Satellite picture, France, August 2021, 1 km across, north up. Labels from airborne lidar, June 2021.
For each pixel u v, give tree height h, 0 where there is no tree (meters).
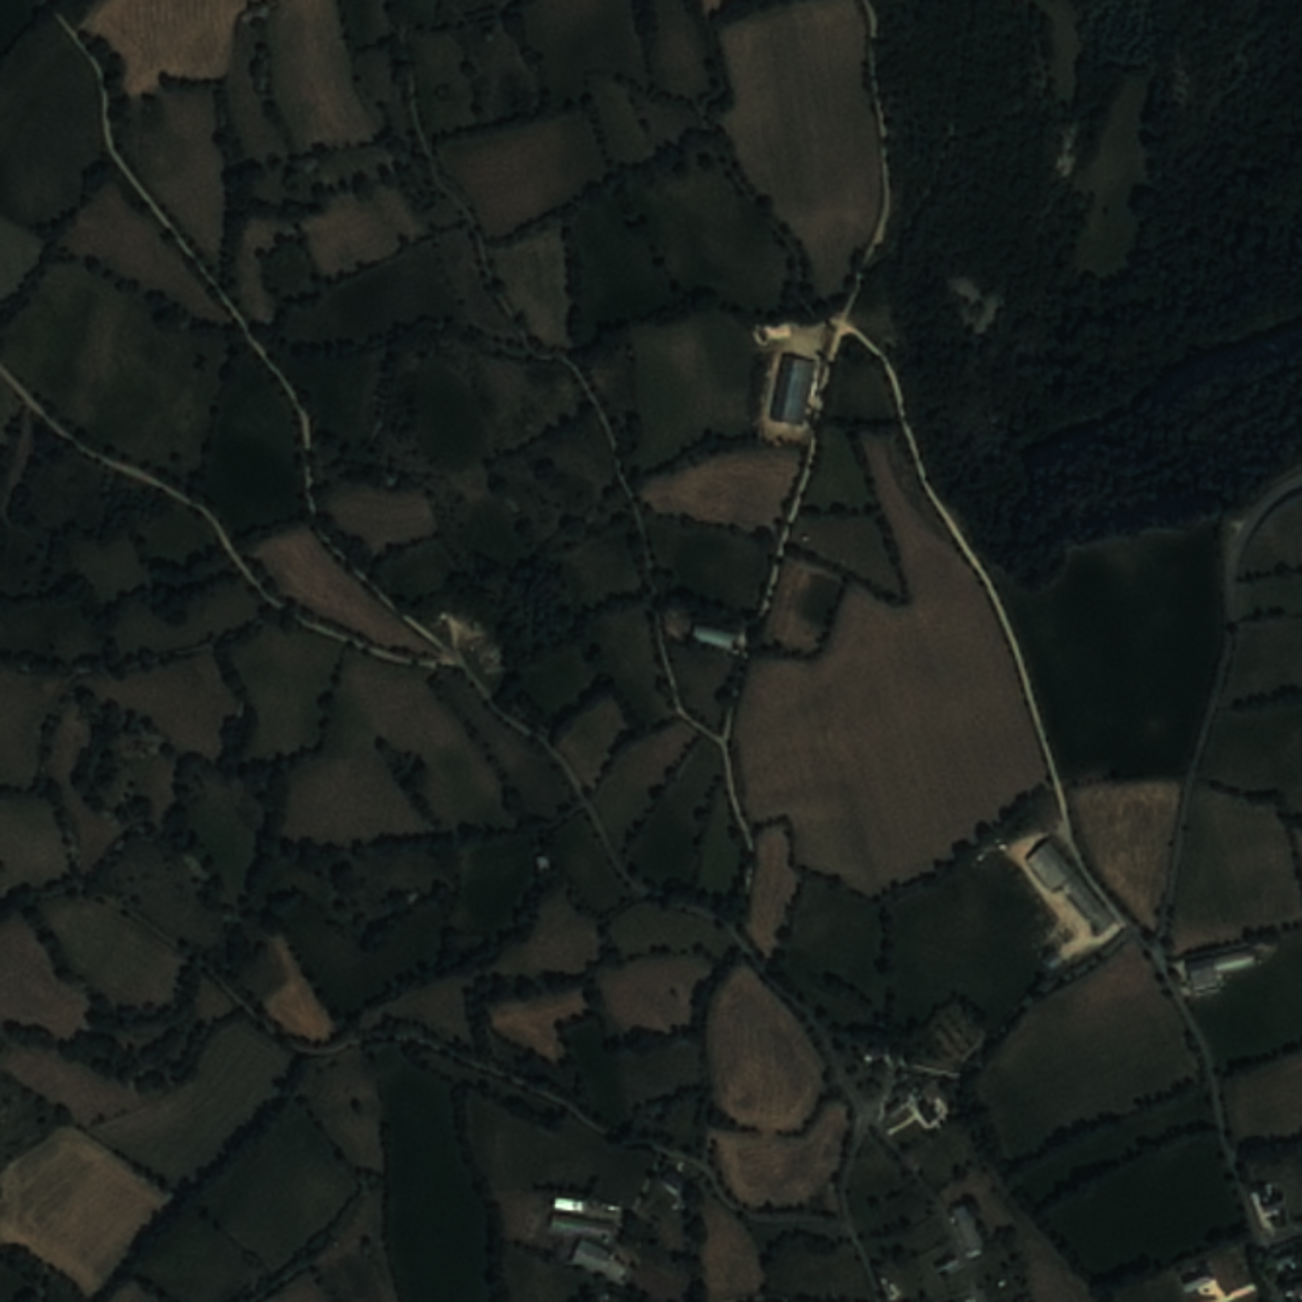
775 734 0
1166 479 25
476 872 0
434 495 7
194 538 0
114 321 0
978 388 18
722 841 0
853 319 0
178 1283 0
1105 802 0
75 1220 0
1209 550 0
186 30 0
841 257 0
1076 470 22
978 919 0
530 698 11
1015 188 15
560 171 0
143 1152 0
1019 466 19
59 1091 0
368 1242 8
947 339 18
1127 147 0
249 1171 0
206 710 0
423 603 8
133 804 8
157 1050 11
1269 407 17
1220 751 0
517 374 0
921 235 16
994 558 12
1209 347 10
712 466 0
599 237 0
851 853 0
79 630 0
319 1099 0
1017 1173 16
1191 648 0
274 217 7
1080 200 11
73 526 11
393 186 11
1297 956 0
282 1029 7
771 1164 0
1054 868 0
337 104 0
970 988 0
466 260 0
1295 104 19
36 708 0
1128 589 0
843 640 0
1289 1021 0
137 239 0
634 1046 14
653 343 0
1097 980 0
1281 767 0
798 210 0
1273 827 0
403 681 0
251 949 14
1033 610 0
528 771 0
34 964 0
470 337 8
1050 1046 0
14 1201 0
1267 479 9
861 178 0
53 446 14
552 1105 0
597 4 0
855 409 0
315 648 0
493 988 8
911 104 8
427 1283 0
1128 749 0
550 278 0
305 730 0
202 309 0
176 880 0
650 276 0
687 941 0
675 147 12
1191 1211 0
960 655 0
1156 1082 0
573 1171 0
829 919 0
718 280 0
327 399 0
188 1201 17
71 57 0
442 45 0
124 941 0
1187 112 7
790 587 0
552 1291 0
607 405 9
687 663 0
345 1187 0
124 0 0
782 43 0
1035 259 11
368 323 0
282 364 8
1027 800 9
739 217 0
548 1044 0
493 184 0
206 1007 0
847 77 0
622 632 0
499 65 0
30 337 0
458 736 0
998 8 15
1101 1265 0
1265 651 0
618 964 12
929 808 0
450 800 0
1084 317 8
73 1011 0
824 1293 0
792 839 8
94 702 13
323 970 0
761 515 0
